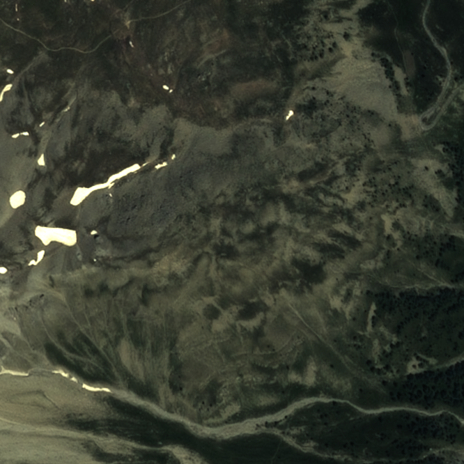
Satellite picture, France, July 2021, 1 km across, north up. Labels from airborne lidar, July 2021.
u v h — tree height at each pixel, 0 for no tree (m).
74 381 0
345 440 0
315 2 0
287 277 0
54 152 0
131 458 0
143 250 0
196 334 0
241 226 0
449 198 0
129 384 0
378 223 0
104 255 0
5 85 0
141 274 0
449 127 0
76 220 0
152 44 0
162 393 0
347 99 0
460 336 12
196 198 0
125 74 0
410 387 20
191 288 0
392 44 0
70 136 0
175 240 0
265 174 0
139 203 0
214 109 0
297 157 0
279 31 0
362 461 0
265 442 0
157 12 0
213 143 0
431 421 7
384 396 0
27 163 0
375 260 0
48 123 0
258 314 0
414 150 0
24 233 0
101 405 0
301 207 0
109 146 0
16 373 0
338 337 0
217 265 0
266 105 0
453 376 21
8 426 0
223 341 0
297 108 0
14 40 0
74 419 0
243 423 0
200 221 0
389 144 0
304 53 0
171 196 0
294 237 0
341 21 0
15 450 0
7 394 0
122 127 0
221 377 0
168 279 0
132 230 0
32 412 0
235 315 0
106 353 0
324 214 0
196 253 0
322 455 0
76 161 0
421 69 0
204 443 0
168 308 0
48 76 0
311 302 0
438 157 0
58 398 0
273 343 0
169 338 0
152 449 0
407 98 0
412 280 0
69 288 0
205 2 0
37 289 0
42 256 0
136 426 0
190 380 0
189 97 0
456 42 0
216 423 0
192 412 0
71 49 0
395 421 0
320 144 0
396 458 0
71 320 0
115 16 0
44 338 0
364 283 0
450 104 0
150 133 0
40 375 0
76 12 0
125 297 0
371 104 0
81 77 0
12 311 0
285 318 0
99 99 0
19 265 0
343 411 0
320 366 0
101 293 0
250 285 0
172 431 0
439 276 0
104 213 0
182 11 0
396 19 0
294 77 0
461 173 9
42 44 0
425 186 0
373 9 0
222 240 0
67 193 0
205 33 0
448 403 15
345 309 0
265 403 0
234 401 0
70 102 0
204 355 0
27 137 0
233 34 0
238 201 0
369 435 0
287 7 0
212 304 0
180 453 0
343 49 0
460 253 0
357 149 0
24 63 0
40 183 0
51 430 0
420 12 0
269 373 0
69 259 0
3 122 0
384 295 13
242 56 0
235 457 0
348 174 0
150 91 0
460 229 0
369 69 0
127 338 0
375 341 0
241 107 0
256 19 0
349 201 0
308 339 0
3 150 0
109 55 0
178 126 0
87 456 0
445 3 0
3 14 0
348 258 0
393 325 0
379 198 0
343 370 0
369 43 0
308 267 0
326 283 0
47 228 0
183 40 0
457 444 0
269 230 0
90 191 0
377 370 13
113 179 0
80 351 0
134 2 0
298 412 0
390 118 0
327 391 0
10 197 0
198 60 0
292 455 0
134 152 0
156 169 0
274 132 0
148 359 0
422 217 0
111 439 0
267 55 0
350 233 0
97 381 0
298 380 0
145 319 0
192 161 0
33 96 0
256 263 0
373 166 0
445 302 18
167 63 0
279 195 0
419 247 6
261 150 0
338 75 0
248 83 0
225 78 0
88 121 0
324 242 0
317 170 0
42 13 0
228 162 0
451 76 0
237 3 0
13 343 0
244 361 0
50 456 0
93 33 0
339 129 0
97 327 0
